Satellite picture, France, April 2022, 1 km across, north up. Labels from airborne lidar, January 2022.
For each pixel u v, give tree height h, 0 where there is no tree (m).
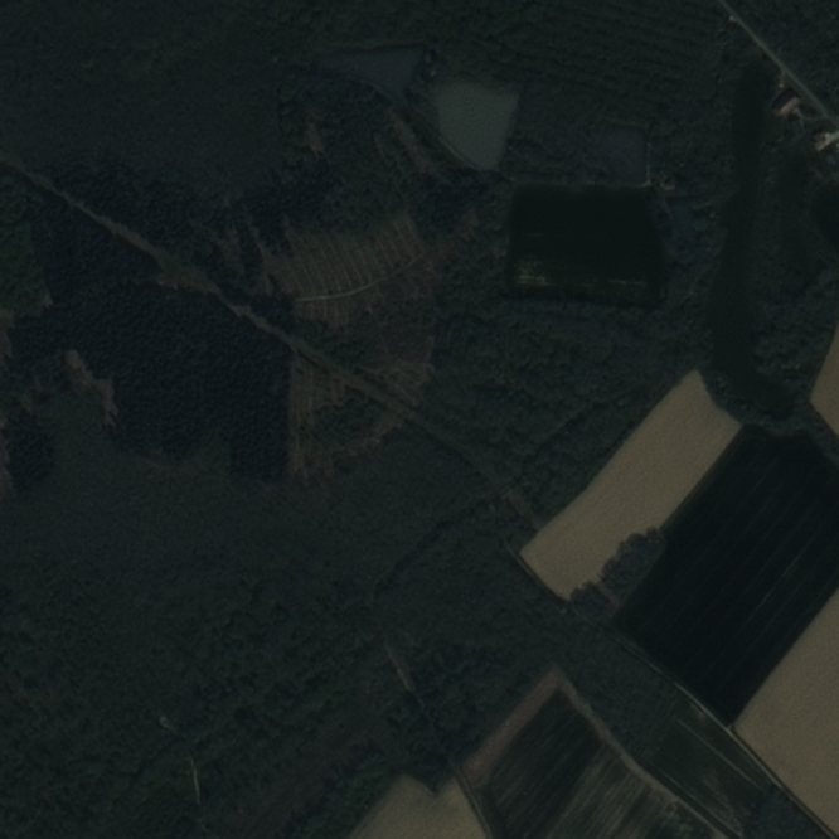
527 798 0
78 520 17
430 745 12
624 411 25
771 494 0
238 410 26
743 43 12
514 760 0
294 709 28
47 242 27
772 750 0
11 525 24
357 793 10
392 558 13
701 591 0
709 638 0
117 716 17
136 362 20
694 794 0
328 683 28
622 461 0
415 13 24
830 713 0
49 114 24
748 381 0
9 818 20
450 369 30
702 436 0
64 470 21
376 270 0
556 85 19
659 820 0
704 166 25
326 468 0
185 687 18
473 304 11
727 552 0
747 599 0
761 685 0
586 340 24
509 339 25
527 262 0
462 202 24
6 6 25
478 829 0
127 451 21
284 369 23
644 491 0
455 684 24
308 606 22
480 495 21
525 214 0
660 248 0
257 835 0
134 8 24
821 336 18
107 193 23
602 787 0
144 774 16
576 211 0
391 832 0
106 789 22
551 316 24
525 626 19
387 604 20
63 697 23
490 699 23
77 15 25
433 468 22
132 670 17
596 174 14
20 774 21
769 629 0
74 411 22
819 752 0
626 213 0
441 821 0
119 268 24
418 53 0
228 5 29
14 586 19
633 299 0
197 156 17
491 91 0
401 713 19
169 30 24
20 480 26
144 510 13
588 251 0
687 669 0
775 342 16
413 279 0
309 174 23
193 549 11
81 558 16
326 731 28
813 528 0
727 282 0
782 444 0
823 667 0
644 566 16
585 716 0
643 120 14
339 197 25
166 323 23
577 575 0
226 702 28
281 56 16
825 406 0
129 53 26
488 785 0
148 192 23
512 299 10
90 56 24
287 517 25
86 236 25
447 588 23
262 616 23
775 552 0
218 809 30
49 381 21
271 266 0
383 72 0
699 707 0
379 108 22
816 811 0
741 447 0
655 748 0
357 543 12
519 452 16
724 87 14
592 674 23
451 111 0
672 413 0
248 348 22
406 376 0
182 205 20
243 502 23
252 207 20
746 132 0
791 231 0
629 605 0
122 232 0
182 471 19
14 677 15
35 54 25
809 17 25
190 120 19
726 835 0
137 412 26
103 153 22
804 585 0
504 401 30
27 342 27
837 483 0
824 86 24
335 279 0
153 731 17
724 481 0
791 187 0
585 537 0
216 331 23
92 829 26
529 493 15
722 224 9
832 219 0
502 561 23
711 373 18
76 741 18
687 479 0
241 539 20
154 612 18
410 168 19
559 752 0
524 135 6
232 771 25
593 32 17
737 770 0
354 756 0
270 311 25
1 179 28
